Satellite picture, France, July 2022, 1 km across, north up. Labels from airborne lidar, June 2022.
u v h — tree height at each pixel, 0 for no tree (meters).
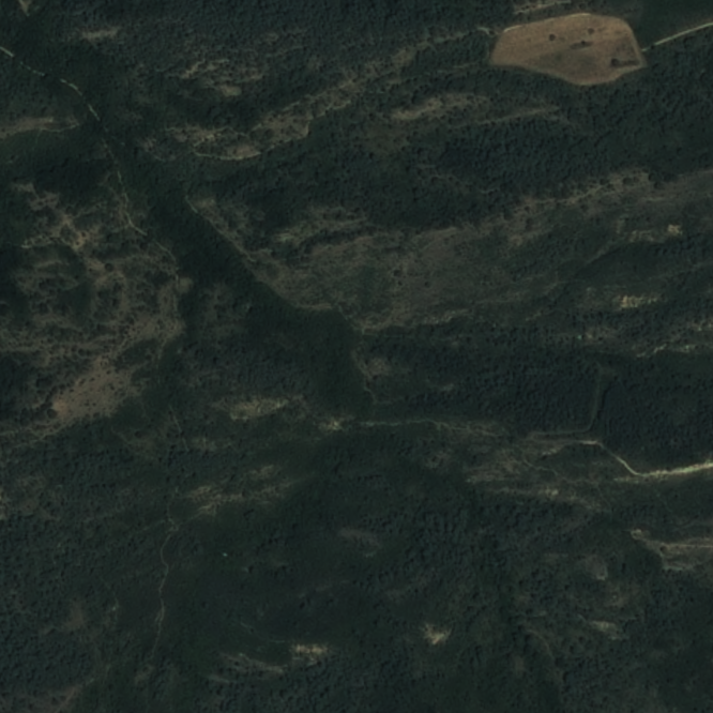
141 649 13
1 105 8
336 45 15
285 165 6
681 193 0
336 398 6
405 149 9
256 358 12
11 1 9
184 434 9
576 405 15
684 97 8
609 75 0
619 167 7
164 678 15
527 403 8
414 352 6
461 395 10
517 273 10
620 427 12
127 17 11
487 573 13
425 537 15
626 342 6
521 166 14
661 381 8
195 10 15
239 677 11
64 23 10
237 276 7
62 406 0
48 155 12
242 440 7
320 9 16
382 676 7
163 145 10
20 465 7
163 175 8
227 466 11
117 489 13
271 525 7
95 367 0
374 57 9
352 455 13
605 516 7
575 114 9
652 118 10
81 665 13
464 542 8
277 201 8
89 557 9
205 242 12
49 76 14
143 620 13
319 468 6
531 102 7
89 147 9
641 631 8
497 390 16
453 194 8
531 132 17
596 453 7
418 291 0
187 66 6
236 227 9
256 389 8
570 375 13
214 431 6
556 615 9
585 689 6
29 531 8
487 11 10
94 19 11
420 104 11
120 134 11
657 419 11
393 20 19
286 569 13
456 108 10
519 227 0
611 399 16
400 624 14
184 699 7
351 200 8
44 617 8
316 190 6
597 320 9
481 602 15
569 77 0
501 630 6
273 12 19
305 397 7
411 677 7
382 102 9
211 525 6
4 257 11
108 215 6
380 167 10
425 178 8
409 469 7
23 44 7
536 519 15
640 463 0
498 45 0
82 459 14
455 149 9
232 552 7
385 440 7
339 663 11
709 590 6
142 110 7
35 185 6
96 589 8
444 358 7
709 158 9
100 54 10
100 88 10
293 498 9
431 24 10
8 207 13
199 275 10
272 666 0
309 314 6
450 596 7
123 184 6
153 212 9
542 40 0
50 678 15
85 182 8
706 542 0
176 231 10
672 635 10
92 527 8
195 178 8
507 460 0
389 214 7
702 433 10
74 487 9
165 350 6
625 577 7
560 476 0
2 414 7
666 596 13
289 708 8
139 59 10
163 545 6
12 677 13
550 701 10
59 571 13
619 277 0
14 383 7
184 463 15
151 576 5
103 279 0
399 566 8
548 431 10
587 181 9
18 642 11
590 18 0
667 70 6
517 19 8
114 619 10
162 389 9
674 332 8
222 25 15
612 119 9
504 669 7
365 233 6
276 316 9
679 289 8
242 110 7
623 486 0
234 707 11
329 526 6
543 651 6
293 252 6
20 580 11
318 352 8
